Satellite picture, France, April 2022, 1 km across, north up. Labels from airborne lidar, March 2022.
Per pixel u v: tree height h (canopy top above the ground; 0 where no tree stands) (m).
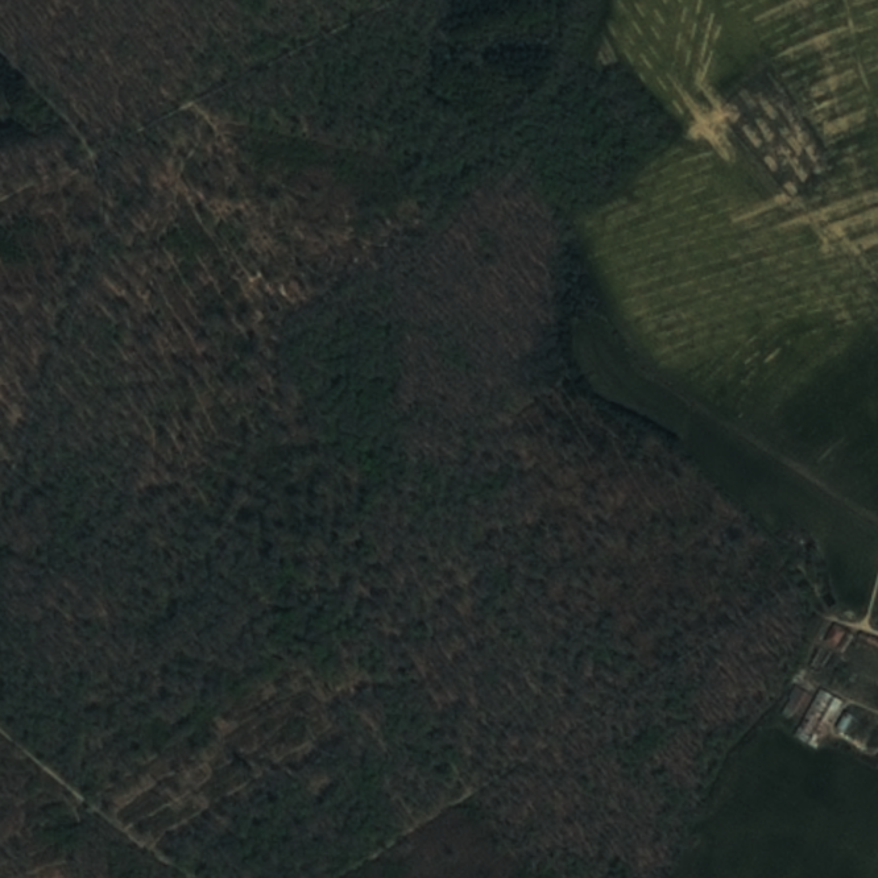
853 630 0
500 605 29
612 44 0
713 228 0
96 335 33
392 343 24
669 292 0
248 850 20
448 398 26
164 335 33
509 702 26
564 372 15
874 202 0
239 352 12
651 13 0
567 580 28
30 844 6
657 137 24
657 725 23
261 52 24
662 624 25
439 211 25
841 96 0
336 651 26
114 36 24
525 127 24
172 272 6
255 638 24
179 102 22
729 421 0
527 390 25
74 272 27
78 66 26
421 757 22
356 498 26
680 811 25
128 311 9
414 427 21
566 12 26
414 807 23
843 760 0
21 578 31
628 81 9
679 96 0
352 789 26
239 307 7
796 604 27
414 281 23
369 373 27
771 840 0
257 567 33
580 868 25
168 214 13
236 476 27
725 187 0
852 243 0
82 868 18
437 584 22
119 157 8
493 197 21
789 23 0
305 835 26
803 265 0
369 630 25
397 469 21
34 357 31
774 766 0
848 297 0
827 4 0
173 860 23
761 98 0
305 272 25
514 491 27
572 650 28
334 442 21
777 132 0
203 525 31
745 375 0
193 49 26
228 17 26
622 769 25
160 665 29
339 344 22
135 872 15
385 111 26
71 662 31
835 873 0
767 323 0
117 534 31
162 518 31
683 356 0
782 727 0
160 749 10
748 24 0
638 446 6
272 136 9
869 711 0
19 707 31
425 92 27
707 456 0
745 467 0
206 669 19
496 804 24
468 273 23
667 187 0
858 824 0
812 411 0
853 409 0
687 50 0
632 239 0
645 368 6
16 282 7
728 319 0
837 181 0
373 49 25
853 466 0
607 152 23
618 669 26
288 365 28
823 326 0
